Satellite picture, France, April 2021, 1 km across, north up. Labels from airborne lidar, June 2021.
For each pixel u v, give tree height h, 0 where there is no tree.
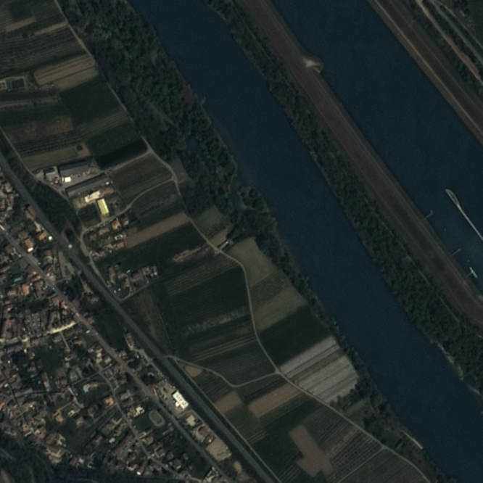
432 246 0
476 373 12
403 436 9
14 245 0
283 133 0
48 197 15
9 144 12
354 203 18
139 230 0
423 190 0
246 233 7
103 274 0
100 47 9
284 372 0
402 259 7
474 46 8
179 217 0
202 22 0
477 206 0
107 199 0
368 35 0
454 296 0
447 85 0
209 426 12
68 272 10
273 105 0
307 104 22
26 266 0
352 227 0
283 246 7
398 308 0
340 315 0
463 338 11
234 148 0
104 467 24
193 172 29
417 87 0
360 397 13
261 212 11
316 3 0
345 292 0
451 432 0
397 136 0
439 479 10
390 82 0
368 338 0
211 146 19
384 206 0
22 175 26
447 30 11
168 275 0
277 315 0
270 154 0
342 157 9
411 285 18
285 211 0
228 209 22
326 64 0
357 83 0
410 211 0
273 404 0
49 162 0
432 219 0
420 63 0
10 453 19
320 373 0
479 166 0
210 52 0
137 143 0
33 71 0
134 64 16
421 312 15
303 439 0
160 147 0
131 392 0
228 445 16
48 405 8
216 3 11
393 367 0
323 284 0
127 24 12
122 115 0
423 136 0
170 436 5
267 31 0
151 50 12
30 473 15
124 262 0
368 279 0
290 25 0
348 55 0
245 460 12
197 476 0
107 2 15
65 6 7
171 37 0
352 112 0
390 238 11
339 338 7
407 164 0
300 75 0
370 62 0
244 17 26
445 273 0
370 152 0
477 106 0
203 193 13
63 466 6
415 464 0
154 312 6
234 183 0
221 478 0
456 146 0
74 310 0
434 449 0
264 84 0
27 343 0
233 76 0
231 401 0
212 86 0
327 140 26
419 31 0
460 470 0
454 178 0
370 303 0
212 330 0
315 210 0
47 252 0
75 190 0
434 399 0
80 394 6
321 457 0
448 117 0
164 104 15
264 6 0
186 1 0
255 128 0
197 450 7
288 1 0
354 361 24
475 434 0
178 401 0
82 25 33
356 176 24
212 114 0
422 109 0
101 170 0
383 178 0
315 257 0
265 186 0
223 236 0
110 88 32
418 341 0
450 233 0
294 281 16
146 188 0
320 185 0
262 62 14
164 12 0
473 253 0
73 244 18
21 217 12
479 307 0
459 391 0
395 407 0
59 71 0
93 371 15
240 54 0
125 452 0
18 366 11
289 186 0
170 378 15
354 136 0
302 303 0
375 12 0
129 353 14
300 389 0
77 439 0
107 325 0
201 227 0
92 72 0
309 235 0
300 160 0
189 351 0
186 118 19
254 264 0
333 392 0
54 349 0
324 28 0
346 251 0
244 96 0
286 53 0
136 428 10
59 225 12
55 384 0
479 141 0
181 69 0
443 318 25
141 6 0
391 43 0
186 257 0
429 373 0
